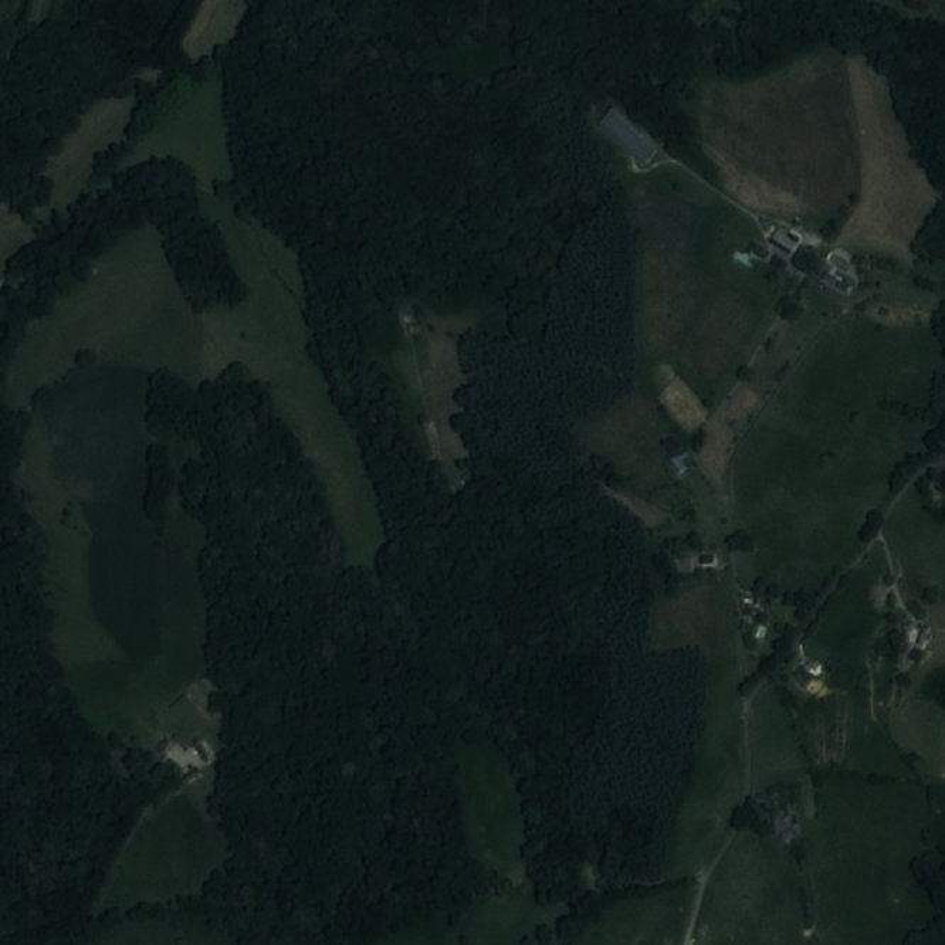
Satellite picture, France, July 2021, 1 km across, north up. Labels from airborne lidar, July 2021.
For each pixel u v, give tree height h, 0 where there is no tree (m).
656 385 0
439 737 23
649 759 23
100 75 35
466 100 16
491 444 15
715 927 0
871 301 8
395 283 21
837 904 0
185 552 0
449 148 19
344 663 27
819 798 7
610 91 19
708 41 15
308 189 25
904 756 8
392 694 20
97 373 0
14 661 33
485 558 25
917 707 0
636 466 0
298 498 24
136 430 0
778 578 0
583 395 15
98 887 20
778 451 0
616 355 21
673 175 0
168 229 14
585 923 21
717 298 0
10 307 21
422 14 17
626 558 22
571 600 22
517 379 21
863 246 0
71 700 13
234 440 19
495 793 0
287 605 28
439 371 0
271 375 0
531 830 12
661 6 20
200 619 0
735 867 0
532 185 26
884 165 0
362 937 25
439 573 21
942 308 10
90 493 0
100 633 0
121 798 26
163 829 0
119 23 15
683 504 6
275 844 23
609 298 21
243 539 22
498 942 0
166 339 0
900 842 0
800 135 0
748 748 0
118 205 31
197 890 0
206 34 0
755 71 10
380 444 15
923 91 15
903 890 0
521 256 22
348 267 10
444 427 0
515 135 24
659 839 20
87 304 0
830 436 0
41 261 24
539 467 16
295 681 28
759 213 0
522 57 17
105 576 0
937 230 22
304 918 22
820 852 0
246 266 0
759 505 0
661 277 0
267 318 0
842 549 0
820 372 0
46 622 25
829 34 20
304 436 0
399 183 24
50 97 27
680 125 18
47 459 0
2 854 27
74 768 28
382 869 35
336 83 19
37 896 26
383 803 31
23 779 27
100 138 0
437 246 30
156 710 0
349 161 25
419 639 15
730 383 0
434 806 16
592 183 15
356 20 29
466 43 16
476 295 0
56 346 0
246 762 26
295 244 23
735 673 0
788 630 14
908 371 0
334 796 30
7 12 24
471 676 27
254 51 14
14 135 35
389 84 24
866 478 0
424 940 0
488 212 23
